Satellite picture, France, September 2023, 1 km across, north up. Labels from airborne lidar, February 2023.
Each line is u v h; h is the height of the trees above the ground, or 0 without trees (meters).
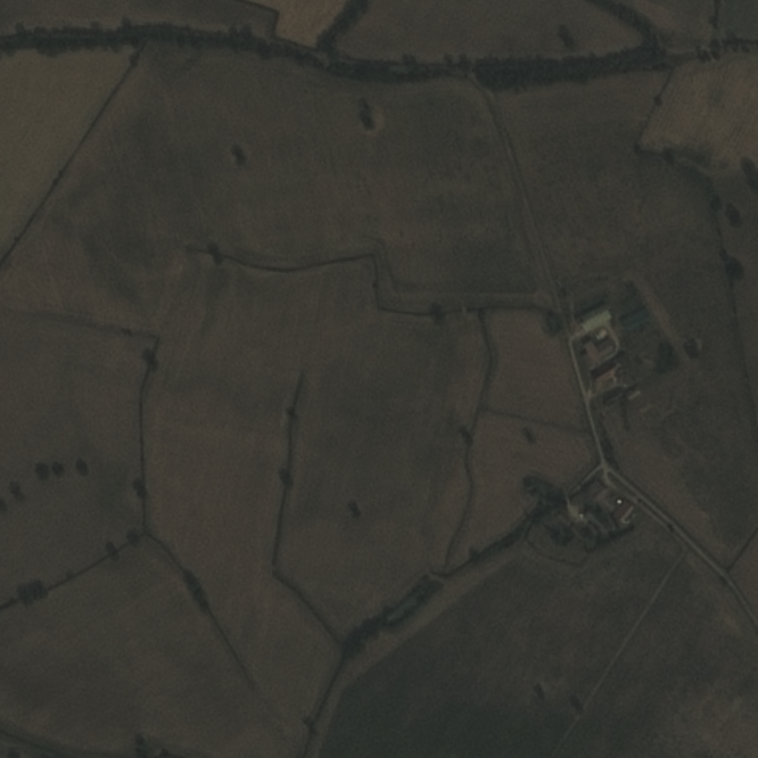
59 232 0
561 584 0
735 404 0
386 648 0
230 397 0
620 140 0
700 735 0
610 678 0
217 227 0
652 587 0
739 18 0
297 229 0
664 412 0
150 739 0
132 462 0
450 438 0
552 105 0
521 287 0
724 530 0
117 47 13
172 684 0
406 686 0
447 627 0
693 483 0
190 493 0
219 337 0
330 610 0
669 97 0
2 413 0
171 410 0
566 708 0
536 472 0
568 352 0
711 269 0
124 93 0
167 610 0
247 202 0
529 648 0
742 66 0
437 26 0
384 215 0
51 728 0
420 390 0
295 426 0
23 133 0
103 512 0
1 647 0
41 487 0
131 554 0
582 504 0
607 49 0
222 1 0
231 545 0
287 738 0
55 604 0
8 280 0
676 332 0
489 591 0
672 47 0
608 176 0
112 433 0
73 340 0
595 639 0
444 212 0
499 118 0
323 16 0
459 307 0
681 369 0
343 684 0
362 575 0
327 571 0
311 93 0
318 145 0
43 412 0
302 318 0
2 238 0
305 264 0
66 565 0
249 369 0
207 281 0
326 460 0
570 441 0
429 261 0
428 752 0
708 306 0
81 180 0
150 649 0
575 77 12
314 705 0
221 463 0
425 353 0
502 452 0
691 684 0
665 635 0
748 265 0
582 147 0
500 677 0
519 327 0
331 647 0
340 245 0
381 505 0
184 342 0
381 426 0
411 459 0
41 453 0
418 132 0
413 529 0
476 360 0
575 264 0
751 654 0
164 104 0
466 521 0
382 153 0
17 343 0
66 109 0
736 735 0
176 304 0
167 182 0
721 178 0
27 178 0
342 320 0
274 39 0
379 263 0
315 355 0
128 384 0
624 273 0
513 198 0
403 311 0
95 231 0
